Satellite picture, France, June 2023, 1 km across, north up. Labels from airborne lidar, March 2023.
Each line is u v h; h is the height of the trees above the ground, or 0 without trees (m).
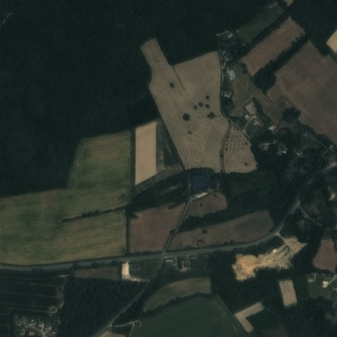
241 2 17
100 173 0
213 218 21
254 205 18
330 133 0
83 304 25
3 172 23
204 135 0
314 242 17
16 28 11
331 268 0
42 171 26
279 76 0
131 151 0
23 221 0
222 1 18
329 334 16
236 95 0
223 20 18
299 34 0
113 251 0
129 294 20
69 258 0
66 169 23
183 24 22
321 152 14
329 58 0
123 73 28
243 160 0
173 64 17
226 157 0
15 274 0
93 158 0
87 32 26
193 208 0
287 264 0
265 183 0
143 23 24
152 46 0
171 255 0
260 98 0
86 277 0
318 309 18
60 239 0
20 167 24
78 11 24
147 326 0
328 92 0
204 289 0
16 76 19
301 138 10
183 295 0
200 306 0
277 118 0
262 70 11
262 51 0
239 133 0
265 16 0
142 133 0
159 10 26
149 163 0
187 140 0
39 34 12
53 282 0
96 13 24
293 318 17
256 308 0
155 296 0
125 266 0
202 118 0
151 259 0
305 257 15
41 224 0
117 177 0
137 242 0
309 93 0
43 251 0
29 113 20
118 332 0
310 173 16
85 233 0
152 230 0
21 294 0
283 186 20
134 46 24
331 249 0
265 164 21
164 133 0
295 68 0
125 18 22
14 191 22
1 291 0
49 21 24
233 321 0
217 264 15
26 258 0
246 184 0
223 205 0
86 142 0
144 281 0
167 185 15
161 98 0
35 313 0
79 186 0
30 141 23
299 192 18
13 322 0
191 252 0
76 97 21
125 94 19
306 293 0
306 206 0
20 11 22
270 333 0
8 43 18
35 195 0
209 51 14
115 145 0
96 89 25
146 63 14
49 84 17
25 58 11
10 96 17
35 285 0
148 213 0
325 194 15
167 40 21
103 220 0
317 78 0
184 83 0
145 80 14
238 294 6
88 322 24
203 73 0
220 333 0
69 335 22
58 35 19
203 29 20
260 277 13
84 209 0
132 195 0
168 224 0
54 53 11
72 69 7
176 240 0
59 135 24
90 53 24
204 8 22
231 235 0
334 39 0
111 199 0
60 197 0
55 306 0
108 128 22
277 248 0
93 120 24
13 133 19
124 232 0
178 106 0
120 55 25
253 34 0
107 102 22
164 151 0
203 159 0
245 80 0
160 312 0
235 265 11
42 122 19
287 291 0
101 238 0
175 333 0
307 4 22
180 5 27
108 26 25
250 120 0
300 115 17
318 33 20
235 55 22
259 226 0
